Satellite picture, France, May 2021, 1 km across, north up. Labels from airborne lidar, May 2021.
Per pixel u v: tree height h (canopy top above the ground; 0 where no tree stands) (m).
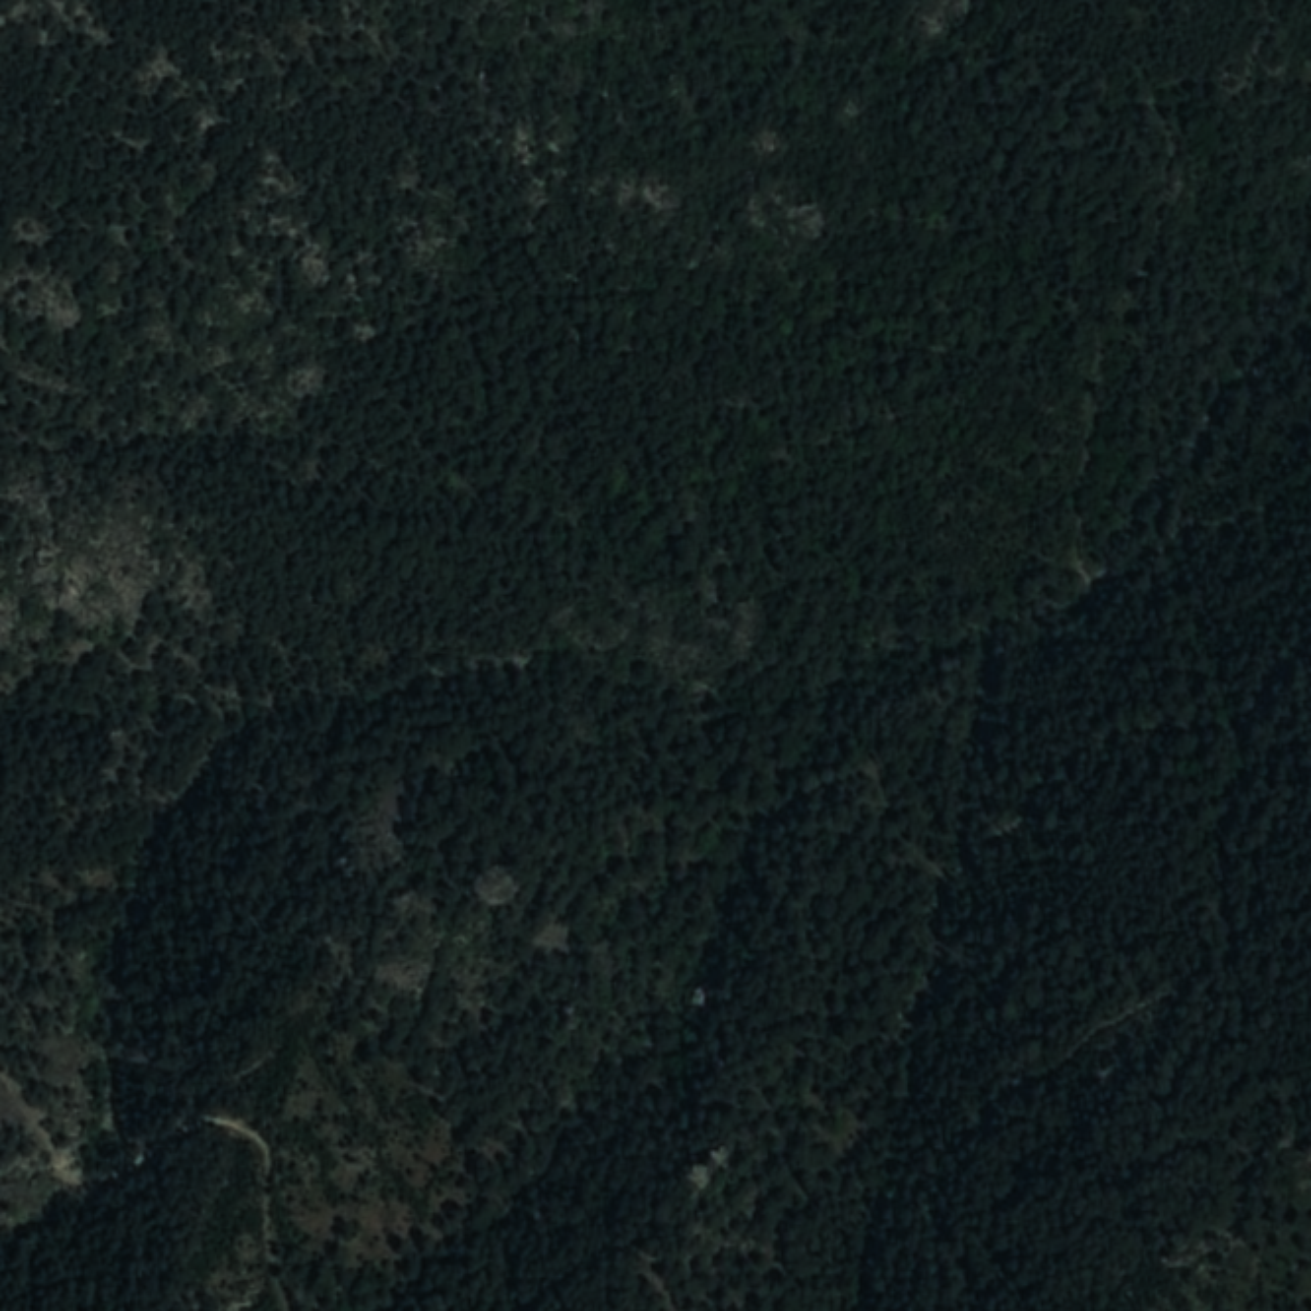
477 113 18
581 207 21
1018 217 25
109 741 10
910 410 16
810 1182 34
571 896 28
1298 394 38
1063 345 8
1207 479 31
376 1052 31
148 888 23
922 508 18
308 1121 7
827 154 14
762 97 21
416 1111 6
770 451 12
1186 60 26
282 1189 10
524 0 6
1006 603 27
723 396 25
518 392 29
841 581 7
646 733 13
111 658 22
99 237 17
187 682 28
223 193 22
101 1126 13
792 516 30
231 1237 7
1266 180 22
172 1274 23
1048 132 34
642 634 11
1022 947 26
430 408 12
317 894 26
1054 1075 9
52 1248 24
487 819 37
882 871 33
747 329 30
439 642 8
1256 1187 31
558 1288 15
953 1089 32
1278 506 12
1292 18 20
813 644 24
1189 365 23
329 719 27
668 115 26
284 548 24
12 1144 19
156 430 6
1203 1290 10
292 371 16
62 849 24
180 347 9
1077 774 30
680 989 16
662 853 30
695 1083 29
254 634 25
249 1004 14
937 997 7
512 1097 28
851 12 18
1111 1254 34
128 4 24
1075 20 11
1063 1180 39
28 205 25
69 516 15
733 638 15
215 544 23
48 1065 26
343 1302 17
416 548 33
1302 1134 13
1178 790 32
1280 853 9
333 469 23
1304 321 22
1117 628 23
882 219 13
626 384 22
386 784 23
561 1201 29
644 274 21
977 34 18
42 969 11
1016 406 8
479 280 24
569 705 22
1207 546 20
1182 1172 38
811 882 24
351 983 16
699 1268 28
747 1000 27
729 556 7
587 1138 25
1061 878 13
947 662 29
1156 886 23
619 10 6
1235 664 24
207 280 21
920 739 21
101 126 29
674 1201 22
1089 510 21
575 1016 8
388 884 26
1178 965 13
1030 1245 34
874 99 6
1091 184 17
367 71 33
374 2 16
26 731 29
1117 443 29
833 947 34
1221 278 26
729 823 17
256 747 27
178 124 19
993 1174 35
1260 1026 33
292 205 10
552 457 29
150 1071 11
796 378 23
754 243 13
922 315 19
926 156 20
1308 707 19
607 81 12
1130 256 34
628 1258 30
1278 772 28
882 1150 26
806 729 29
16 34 12
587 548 16
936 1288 28
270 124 25
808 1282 31
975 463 6
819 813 15
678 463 14
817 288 21
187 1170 23
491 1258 32
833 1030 10
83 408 23
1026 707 25
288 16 20
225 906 22
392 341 24
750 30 26
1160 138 17
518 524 9
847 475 27
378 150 18
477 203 23
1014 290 19
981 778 32
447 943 7
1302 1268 24
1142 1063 29
